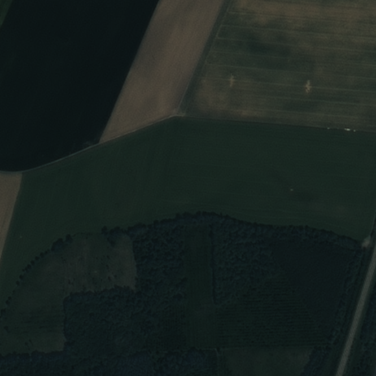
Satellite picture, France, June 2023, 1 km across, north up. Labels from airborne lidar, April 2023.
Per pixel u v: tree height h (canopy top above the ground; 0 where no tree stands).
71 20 0
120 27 0
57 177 0
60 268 0
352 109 0
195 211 0
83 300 17
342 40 0
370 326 24
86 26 0
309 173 0
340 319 11
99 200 0
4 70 0
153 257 21
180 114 0
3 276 0
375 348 9
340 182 0
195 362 26
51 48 0
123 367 27
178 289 26
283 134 0
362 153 0
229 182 0
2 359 19
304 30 0
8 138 0
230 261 18
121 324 18
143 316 8
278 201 0
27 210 0
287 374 0
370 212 0
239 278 26
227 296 25
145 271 21
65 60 0
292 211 0
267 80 0
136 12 0
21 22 0
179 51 0
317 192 0
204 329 0
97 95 0
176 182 0
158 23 0
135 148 0
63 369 25
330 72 0
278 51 0
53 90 0
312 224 0
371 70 0
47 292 0
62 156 0
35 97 0
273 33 0
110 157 0
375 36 0
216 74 0
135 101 0
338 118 0
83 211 0
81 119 0
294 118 0
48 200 0
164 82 0
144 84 0
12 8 0
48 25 0
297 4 0
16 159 0
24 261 0
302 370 0
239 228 21
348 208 0
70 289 0
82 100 0
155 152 0
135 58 0
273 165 0
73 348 21
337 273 11
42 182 0
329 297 11
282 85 0
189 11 0
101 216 0
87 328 23
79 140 0
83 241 0
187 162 0
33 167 0
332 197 0
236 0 0
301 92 0
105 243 0
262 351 0
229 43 0
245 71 0
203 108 0
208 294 0
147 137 0
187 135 0
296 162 0
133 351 12
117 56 0
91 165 0
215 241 24
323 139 0
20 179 0
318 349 19
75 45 0
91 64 0
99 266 0
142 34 0
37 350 0
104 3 0
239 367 0
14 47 0
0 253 0
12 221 0
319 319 10
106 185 0
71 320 17
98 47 0
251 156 0
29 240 0
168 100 0
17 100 0
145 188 0
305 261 10
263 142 0
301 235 16
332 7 0
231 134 0
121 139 0
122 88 0
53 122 0
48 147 0
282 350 0
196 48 0
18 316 0
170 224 18
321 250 11
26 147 0
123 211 0
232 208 0
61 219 0
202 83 0
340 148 0
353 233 0
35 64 0
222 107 0
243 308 0
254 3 0
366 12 0
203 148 0
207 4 0
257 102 0
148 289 25
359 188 0
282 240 11
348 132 0
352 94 0
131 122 0
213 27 0
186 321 0
